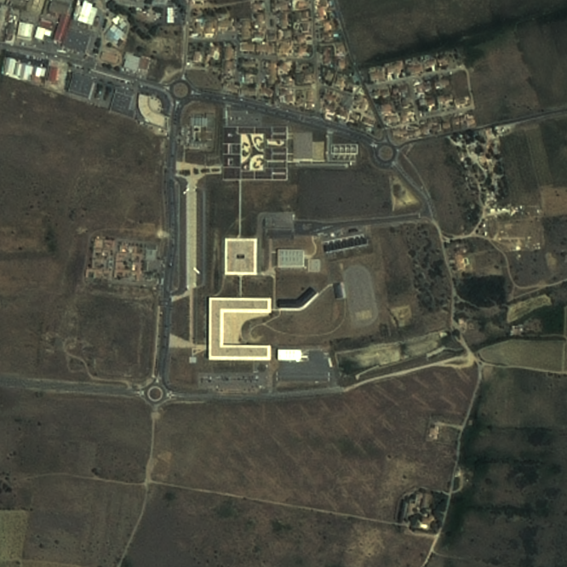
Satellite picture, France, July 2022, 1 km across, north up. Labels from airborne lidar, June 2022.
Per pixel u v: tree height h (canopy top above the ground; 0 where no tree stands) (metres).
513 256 0
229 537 0
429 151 0
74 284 0
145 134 0
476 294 7
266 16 0
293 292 0
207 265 0
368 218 0
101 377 0
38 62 0
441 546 0
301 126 0
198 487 0
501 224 0
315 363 0
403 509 9
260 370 0
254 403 0
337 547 0
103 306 0
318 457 0
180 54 0
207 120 0
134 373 0
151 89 0
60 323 0
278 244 0
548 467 0
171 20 0
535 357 0
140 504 0
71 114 0
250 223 0
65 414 0
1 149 0
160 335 0
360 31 0
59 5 0
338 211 0
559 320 0
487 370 0
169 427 0
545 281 0
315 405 0
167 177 0
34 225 0
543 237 0
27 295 0
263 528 0
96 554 0
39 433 0
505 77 0
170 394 0
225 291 0
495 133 8
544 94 0
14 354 0
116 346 0
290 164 0
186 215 0
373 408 0
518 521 0
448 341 0
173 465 0
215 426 0
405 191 0
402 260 0
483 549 0
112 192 0
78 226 0
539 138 0
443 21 0
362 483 0
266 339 0
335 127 0
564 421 0
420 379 0
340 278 0
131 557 0
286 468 0
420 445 0
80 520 0
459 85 0
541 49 0
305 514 0
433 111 0
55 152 0
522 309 0
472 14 0
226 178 0
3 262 0
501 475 0
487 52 0
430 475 0
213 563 0
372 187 0
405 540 0
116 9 9
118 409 0
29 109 0
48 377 0
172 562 0
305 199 0
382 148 0
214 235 0
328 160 0
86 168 0
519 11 0
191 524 0
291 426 0
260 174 0
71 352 0
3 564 0
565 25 0
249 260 0
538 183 0
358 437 0
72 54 0
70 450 0
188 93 0
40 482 0
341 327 0
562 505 0
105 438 0
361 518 0
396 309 0
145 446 0
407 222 0
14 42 0
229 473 0
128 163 0
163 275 0
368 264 0
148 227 0
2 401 0
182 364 0
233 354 0
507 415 0
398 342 0
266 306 0
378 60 0
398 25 0
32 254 0
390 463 0
